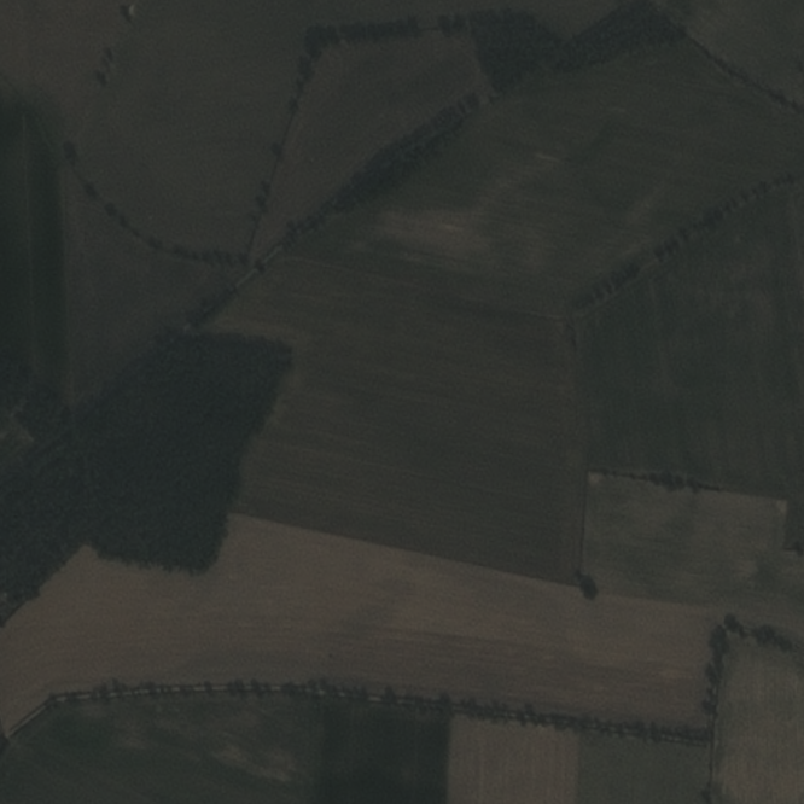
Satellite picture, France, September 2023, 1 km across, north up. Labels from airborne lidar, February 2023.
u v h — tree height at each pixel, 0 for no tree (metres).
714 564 0
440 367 0
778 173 0
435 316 0
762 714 0
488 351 0
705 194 0
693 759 0
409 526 0
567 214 0
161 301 0
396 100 0
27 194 0
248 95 0
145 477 18
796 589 0
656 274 0
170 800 0
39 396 18
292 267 0
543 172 0
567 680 0
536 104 0
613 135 0
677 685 0
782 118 0
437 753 0
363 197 14
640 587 0
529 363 0
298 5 0
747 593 0
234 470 18
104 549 17
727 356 0
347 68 0
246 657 0
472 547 0
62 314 0
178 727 0
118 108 0
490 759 0
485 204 0
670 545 0
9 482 15
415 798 0
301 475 0
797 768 0
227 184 0
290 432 0
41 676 0
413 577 0
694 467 0
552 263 0
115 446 18
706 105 0
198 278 0
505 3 0
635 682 0
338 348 0
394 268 0
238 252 0
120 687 11
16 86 0
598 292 11
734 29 0
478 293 0
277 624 0
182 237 0
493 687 0
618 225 0
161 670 0
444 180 0
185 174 0
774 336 0
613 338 0
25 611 0
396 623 0
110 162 0
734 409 0
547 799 0
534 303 0
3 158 0
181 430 21
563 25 0
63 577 0
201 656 0
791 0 0
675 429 0
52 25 0
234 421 20
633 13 16
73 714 0
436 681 0
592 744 0
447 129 14
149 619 0
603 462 0
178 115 0
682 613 0
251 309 0
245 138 0
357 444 0
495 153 0
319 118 0
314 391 0
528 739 0
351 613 0
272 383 19
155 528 22
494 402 0
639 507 0
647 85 0
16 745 0
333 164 0
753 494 0
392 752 0
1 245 0
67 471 17
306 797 0
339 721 0
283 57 0
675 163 0
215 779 0
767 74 0
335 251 0
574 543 0
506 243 0
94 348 0
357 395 0
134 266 0
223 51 0
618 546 0
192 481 21
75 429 18
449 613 0
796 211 0
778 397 0
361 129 0
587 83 0
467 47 0
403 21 0
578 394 0
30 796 0
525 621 0
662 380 0
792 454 0
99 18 0
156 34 0
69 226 0
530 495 0
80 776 0
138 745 0
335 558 0
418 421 0
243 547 0
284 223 0
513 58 18
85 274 0
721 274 0
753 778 0
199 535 21
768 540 0
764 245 0
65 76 0
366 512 0
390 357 0
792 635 0
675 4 0
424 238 0
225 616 0
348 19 0
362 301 0
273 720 0
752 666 0
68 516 22
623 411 0
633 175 0
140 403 18
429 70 0
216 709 0
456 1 0
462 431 0
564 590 0
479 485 0
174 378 23
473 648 0
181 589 0
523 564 0
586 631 0
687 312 0
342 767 0
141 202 0
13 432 0
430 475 0
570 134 0
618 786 0
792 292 0
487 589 0
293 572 0
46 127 0
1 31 0
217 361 21
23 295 0
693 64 0
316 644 0
